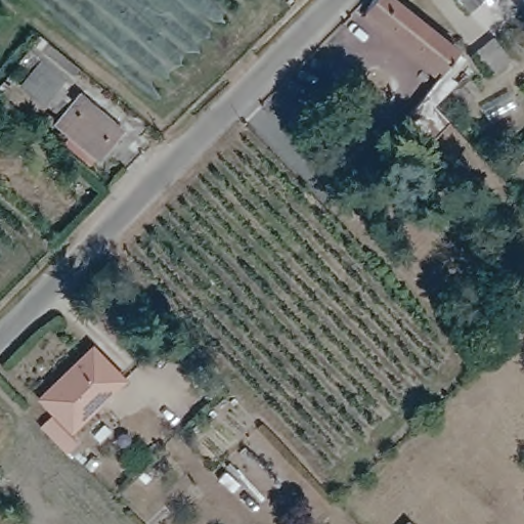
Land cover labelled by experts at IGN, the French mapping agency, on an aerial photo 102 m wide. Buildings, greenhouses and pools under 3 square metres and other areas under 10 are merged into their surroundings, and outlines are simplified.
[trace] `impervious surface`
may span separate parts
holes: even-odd
[[[516,8],[524,4],[524,0],[483,0],[471,14],[465,14],[456,8],[454,0],[432,0],[444,16],[440,25],[444,25],[450,33],[459,33],[463,39],[469,43],[467,55],[471,57],[479,51],[489,41],[493,41],[487,33],[489,27],[497,20],[506,23],[514,18]]]
[[[270,45],[258,57],[260,66],[237,88],[229,84],[229,88],[217,100],[213,100],[205,113],[197,117],[194,123],[174,141],[166,143],[164,139],[151,139],[145,133],[143,123],[139,119],[125,115],[121,106],[111,102],[106,96],[102,96],[98,88],[94,88],[88,80],[76,74],[72,76],[72,82],[76,86],[68,90],[68,102],[53,111],[51,117],[53,121],[57,121],[68,113],[70,106],[74,106],[74,100],[80,94],[80,90],[84,90],[98,104],[111,111],[125,127],[117,143],[100,158],[94,158],[76,141],[70,141],[68,145],[68,149],[80,160],[86,166],[96,166],[104,170],[111,170],[113,166],[123,162],[127,170],[111,184],[108,197],[76,227],[68,237],[68,248],[59,250],[51,258],[51,262],[43,258],[0,301],[0,354],[33,321],[41,317],[39,309],[45,303],[57,299],[63,293],[63,297],[74,307],[78,301],[90,303],[98,297],[94,276],[119,282],[117,252],[117,244],[113,239],[117,237],[119,229],[160,188],[168,188],[170,184],[176,184],[180,178],[184,178],[184,174],[205,156],[207,149],[213,147],[213,143],[239,117],[246,117],[256,127],[258,135],[270,147],[291,172],[297,172],[297,182],[305,186],[305,192],[313,194],[315,207],[328,213],[330,205],[338,199],[338,192],[344,192],[350,184],[358,182],[366,188],[379,184],[383,176],[389,174],[389,170],[395,166],[397,154],[389,149],[379,149],[381,137],[389,133],[407,139],[411,131],[405,127],[405,121],[418,121],[418,108],[436,84],[436,80],[428,70],[422,70],[418,66],[418,61],[409,53],[399,49],[393,41],[383,39],[381,31],[366,20],[366,12],[375,0],[317,0],[291,29],[287,29],[278,37],[274,45]],[[307,98],[321,84],[323,76],[334,66],[346,66],[348,72],[356,74],[358,78],[366,72],[377,88],[391,88],[385,90],[385,102],[373,108],[373,127],[366,131],[364,141],[352,141],[346,147],[346,164],[336,168],[336,172],[330,176],[315,176],[307,160],[301,154],[297,154],[295,145],[291,143],[291,137],[282,129],[287,127],[287,121],[295,111],[295,104]]]

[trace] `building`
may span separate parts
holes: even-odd
[[[491,68],[493,76],[508,68],[510,57],[497,41],[493,41],[489,41],[479,51],[481,59]]]
[[[125,127],[111,111],[98,104],[84,90],[80,90],[80,94],[74,100],[74,106],[70,106],[68,113],[57,121],[57,131],[66,137],[68,145],[70,141],[76,141],[94,158],[100,158],[117,143]]]
[[[78,432],[84,426],[82,416],[92,416],[96,411],[111,395],[117,397],[121,393],[125,377],[117,375],[104,362],[104,358],[98,356],[92,348],[41,395],[41,405],[49,413],[49,420],[43,426],[45,434],[66,454],[80,444]]]
[[[454,0],[456,8],[465,14],[471,14],[483,0]]]
[[[33,104],[35,111],[53,111],[68,102],[68,90],[76,86],[72,82],[72,76],[76,74],[76,70],[59,53],[55,53],[51,47],[47,47],[45,41],[39,39],[35,47],[31,47],[29,53],[23,57],[23,66],[31,74],[23,84],[27,92],[25,100]]]
[[[475,66],[471,57],[467,55],[469,43],[463,39],[459,43],[444,41],[434,29],[422,23],[397,0],[375,0],[366,12],[366,20],[381,31],[383,39],[393,41],[399,49],[409,53],[418,61],[418,66],[422,70],[428,70],[436,80],[436,84],[418,108],[418,121],[422,133],[432,135],[440,131],[446,119],[440,113],[440,102],[452,92],[459,80],[465,80],[465,74],[473,76]]]

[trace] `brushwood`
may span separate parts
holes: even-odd
[[[111,86],[106,86],[92,72],[88,72],[80,61],[76,61],[68,51],[63,51],[55,43],[47,35],[39,33],[33,25],[20,27],[16,37],[0,55],[0,86],[8,80],[23,84],[31,74],[23,66],[23,57],[29,53],[31,47],[35,47],[39,39],[45,41],[47,47],[51,47],[55,53],[59,53],[76,70],[76,74],[88,80],[94,88],[98,88],[102,96],[106,96],[111,102],[121,106],[125,115],[139,119],[143,123],[145,133],[151,139],[164,139],[162,129],[156,123],[147,121],[143,113],[133,108],[123,96],[119,96]]]
[[[0,375],[0,387],[23,407],[29,405],[27,397],[6,379],[6,375]]]
[[[456,379],[446,389],[436,393],[442,403],[444,403],[450,397],[454,397],[465,385],[467,366],[461,364]]]
[[[301,6],[299,12],[291,20],[287,20],[287,25],[256,51],[258,57],[270,45],[274,45],[278,37],[287,29],[291,29],[317,0],[307,0],[305,6]]]
[[[188,424],[180,422],[178,426],[182,438],[184,444],[192,442],[194,428],[209,426],[213,407],[231,399],[227,387],[221,391],[221,395],[207,399],[207,405],[201,409],[201,413],[197,413]]]
[[[45,348],[45,334],[55,334],[63,344],[68,344],[70,350],[74,350],[80,344],[80,340],[78,336],[68,332],[68,321],[59,313],[55,319],[37,330],[4,364],[12,368],[25,354],[29,354],[33,346]]]
[[[223,450],[223,454],[215,461],[205,456],[203,463],[207,471],[217,473],[217,469],[229,469],[229,454],[227,450]]]
[[[0,287],[0,301],[43,258],[45,252],[39,250],[14,276],[6,280],[4,287]]]
[[[229,84],[221,82],[197,106],[197,111],[192,113],[197,117],[205,113],[213,100],[217,100],[229,88]]]
[[[473,76],[473,82],[493,76],[491,68],[481,59],[479,51],[471,57],[475,66]]]
[[[43,168],[43,174],[57,186],[82,178],[88,184],[88,188],[96,192],[94,203],[72,221],[72,225],[76,227],[108,197],[111,184],[127,170],[123,162],[113,166],[111,170],[104,170],[96,166],[86,166],[80,160],[74,166],[72,174],[57,172],[49,164]]]

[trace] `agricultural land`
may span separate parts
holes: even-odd
[[[383,461],[370,469],[377,475],[377,485],[373,489],[362,489],[356,483],[346,495],[340,497],[338,504],[328,501],[325,493],[315,489],[299,471],[295,471],[280,456],[280,452],[262,436],[258,428],[262,428],[262,420],[254,418],[254,413],[246,407],[242,399],[231,399],[213,407],[209,426],[194,428],[192,442],[184,444],[182,438],[172,440],[166,444],[166,448],[154,452],[151,461],[156,465],[149,475],[139,475],[125,489],[117,485],[117,481],[106,481],[98,471],[82,467],[78,461],[68,459],[66,454],[45,434],[43,426],[37,422],[39,416],[35,411],[27,413],[23,407],[0,387],[0,510],[16,508],[23,499],[31,512],[31,524],[174,524],[166,501],[170,495],[176,493],[182,493],[190,501],[194,501],[197,520],[192,524],[276,524],[268,493],[270,489],[282,487],[282,483],[297,483],[303,489],[303,495],[307,497],[311,508],[309,524],[524,524],[524,368],[520,362],[520,354],[516,354],[497,370],[481,373],[477,381],[465,385],[454,397],[450,397],[444,403],[446,411],[442,432],[436,436],[413,436],[397,448],[395,459]],[[215,461],[223,454],[223,450],[227,450],[229,454],[229,469],[217,469],[217,473],[207,471],[203,463],[205,456]]]

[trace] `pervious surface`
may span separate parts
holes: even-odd
[[[178,370],[178,366],[172,362],[162,360],[156,366],[141,366],[119,346],[117,336],[113,332],[108,332],[102,323],[80,319],[74,307],[63,297],[63,293],[57,299],[45,303],[39,309],[41,317],[33,321],[0,354],[0,368],[4,364],[37,330],[55,319],[59,313],[68,321],[68,332],[78,336],[80,340],[90,338],[94,342],[92,348],[98,356],[104,358],[104,362],[117,375],[125,377],[121,393],[117,397],[111,395],[96,411],[102,413],[111,409],[115,418],[121,422],[125,416],[133,416],[143,407],[151,407],[158,418],[166,418],[172,426],[178,426],[180,422],[188,424],[197,413],[201,413],[201,409],[207,405],[207,399],[197,401],[190,393],[188,383],[184,375]]]
[[[459,186],[465,182],[473,182],[475,190],[481,190],[483,184],[487,184],[489,188],[493,188],[495,194],[504,190],[504,180],[475,151],[471,141],[465,135],[461,135],[461,131],[446,119],[440,131],[440,160],[446,164],[446,174]]]
[[[160,188],[119,229],[117,237],[113,239],[117,244],[117,252],[123,250],[123,244],[141,235],[145,231],[145,225],[151,225],[164,213],[164,209],[172,213],[176,207],[180,207],[178,197],[182,194],[182,190],[186,190],[192,184],[192,180],[199,178],[199,174],[203,174],[209,168],[209,164],[217,162],[217,151],[221,151],[223,158],[231,164],[235,164],[239,158],[235,156],[235,149],[246,151],[246,147],[254,147],[260,141],[266,147],[270,147],[258,135],[256,127],[246,117],[239,117],[213,143],[213,147],[207,149],[205,156],[184,174],[184,178],[180,178],[176,184],[170,184],[168,188]]]

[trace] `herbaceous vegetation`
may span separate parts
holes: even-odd
[[[49,413],[41,405],[41,395],[92,348],[94,342],[90,338],[80,340],[80,344],[74,350],[70,350],[68,344],[63,344],[55,334],[45,334],[45,348],[33,346],[29,354],[25,354],[12,368],[4,364],[0,368],[0,375],[6,375],[6,379],[27,397],[29,405],[23,407],[27,413],[35,411],[39,416],[37,422],[43,426],[49,420]]]
[[[381,246],[366,233],[366,227],[358,215],[344,215],[340,221],[344,221],[350,233],[364,244],[364,252],[381,250]]]
[[[154,285],[149,285],[139,291],[139,295],[151,305],[164,305],[166,297]]]
[[[516,8],[514,18],[506,23],[497,20],[489,27],[487,33],[493,41],[497,41],[510,57],[508,68],[493,76],[473,82],[473,76],[465,74],[465,80],[459,80],[452,92],[467,100],[471,117],[479,117],[479,131],[485,135],[487,143],[501,141],[510,125],[524,129],[524,4]]]
[[[27,92],[23,84],[8,80],[0,86],[0,92],[4,108],[8,108],[10,121],[16,125],[39,125],[41,119],[51,117],[53,111],[35,111],[33,104],[25,100]]]
[[[452,280],[454,274],[463,270],[463,244],[450,231],[446,231],[446,235],[442,237],[434,229],[422,229],[418,223],[405,223],[403,227],[407,231],[413,254],[420,256],[424,262],[422,268],[418,264],[397,266],[395,274],[399,280],[407,285],[413,297],[424,291],[428,299],[432,299],[434,289],[438,285]]]
[[[162,129],[164,139],[166,143],[174,141],[194,123],[197,117],[192,113],[197,111],[197,106],[221,82],[229,84],[237,88],[260,66],[258,57],[256,51],[287,25],[287,20],[291,20],[299,12],[301,6],[305,6],[307,0],[235,0],[237,10],[223,10],[223,20],[229,20],[229,33],[221,37],[219,43],[215,39],[203,41],[199,45],[199,53],[188,53],[182,59],[184,68],[190,63],[201,66],[201,76],[190,78],[192,86],[199,88],[199,94],[192,96],[172,119],[151,111],[117,76],[104,72],[61,35],[55,43],[63,51],[68,51],[76,61],[80,61],[88,72],[92,72],[106,86],[111,86],[119,96],[123,96],[133,108],[143,113],[147,121],[156,123]]]
[[[0,0],[0,55],[16,37],[20,27],[33,25],[39,16],[37,0]]]
[[[444,25],[440,25],[444,16],[432,0],[397,0],[422,23],[434,29],[444,41],[459,43],[463,39],[459,33],[450,33]]]
[[[96,411],[92,416],[82,416],[84,426],[78,432],[80,444],[66,454],[68,459],[78,461],[82,467],[98,471],[106,481],[117,481],[117,477],[123,473],[123,467],[119,463],[119,459],[123,456],[121,448],[133,442],[139,446],[139,450],[154,452],[166,448],[166,444],[172,440],[182,438],[178,426],[172,426],[166,418],[158,418],[151,407],[143,407],[133,416],[125,416],[121,422],[115,418],[111,409],[102,413]]]
[[[264,401],[264,397],[256,395],[252,385],[242,377],[242,373],[221,354],[217,354],[213,360],[213,370],[215,375],[221,375],[225,379],[221,385],[213,385],[209,391],[203,391],[197,383],[188,383],[190,393],[197,401],[207,399],[221,395],[221,391],[227,387],[231,399],[242,399],[246,407],[254,413],[254,418],[262,420],[262,428],[258,428],[262,436],[280,452],[280,456],[295,471],[299,471],[315,489],[325,493],[340,491],[340,483],[354,473],[354,465],[358,461],[368,461],[377,448],[381,452],[387,452],[391,448],[397,448],[413,436],[411,430],[407,430],[407,420],[416,416],[418,407],[428,403],[442,403],[436,393],[430,393],[424,387],[411,387],[403,397],[403,407],[385,405],[377,407],[375,411],[364,409],[364,413],[360,413],[350,403],[352,399],[356,399],[354,393],[348,391],[344,385],[338,385],[344,397],[336,401],[334,395],[328,395],[328,403],[332,407],[328,409],[328,413],[332,413],[338,426],[342,426],[342,432],[336,432],[319,416],[317,409],[307,409],[313,422],[321,428],[321,432],[328,434],[334,442],[334,454],[328,456],[328,461],[321,461],[315,448],[297,436],[297,432]]]
[[[4,217],[0,217],[0,287],[4,287],[6,280],[14,276],[39,250],[45,252],[43,258],[51,262],[51,258],[59,250],[68,248],[68,237],[76,227],[72,225],[72,221],[94,203],[96,192],[88,188],[88,184],[82,178],[57,186],[43,174],[43,168],[49,164],[45,151],[41,149],[41,143],[33,143],[35,160],[27,168],[23,166],[23,158],[0,156],[0,203],[23,221],[23,231],[16,231]]]

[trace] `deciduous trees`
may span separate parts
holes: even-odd
[[[397,448],[391,448],[387,452],[381,452],[377,448],[368,461],[358,461],[354,465],[354,473],[340,483],[340,491],[325,493],[328,501],[338,504],[340,497],[346,495],[356,483],[362,489],[373,489],[377,485],[377,475],[370,469],[383,461],[395,459]]]
[[[68,145],[66,137],[57,131],[57,121],[53,121],[51,117],[41,119],[39,125],[16,125],[10,121],[8,108],[4,108],[0,92],[0,156],[23,158],[23,166],[27,168],[35,160],[33,143],[41,143],[41,149],[45,151],[49,164],[57,172],[72,174],[74,166],[80,160],[68,149]]]
[[[282,483],[282,487],[270,489],[268,493],[276,524],[309,524],[311,508],[307,497],[303,495],[303,489],[297,483]]]
[[[194,501],[190,501],[182,493],[176,493],[170,495],[166,501],[174,524],[192,524],[197,520]]]
[[[413,436],[436,436],[442,432],[446,411],[444,403],[442,403],[428,403],[418,407],[416,416],[407,420],[407,430],[411,430]]]
[[[0,203],[0,217],[4,217],[16,231],[23,231],[23,221]]]
[[[149,475],[156,465],[151,461],[154,452],[139,450],[139,446],[133,442],[121,448],[123,456],[119,459],[119,463],[123,467],[123,473],[117,477],[117,481],[117,485],[125,489],[139,475]]]
[[[199,53],[199,45],[203,41],[215,39],[219,43],[221,37],[229,33],[229,20],[223,20],[223,10],[237,10],[235,0],[37,0],[39,16],[33,25],[39,33],[47,35],[55,43],[61,35],[104,72],[117,76],[151,111],[172,119],[192,96],[199,94],[199,88],[192,86],[190,78],[201,76],[201,66],[190,63],[184,68],[182,59],[188,53]]]
[[[23,499],[16,508],[0,510],[0,524],[31,524],[31,512]]]
[[[141,366],[156,366],[162,360],[172,362],[178,366],[178,370],[184,375],[188,383],[197,383],[203,391],[209,391],[213,385],[221,385],[225,379],[221,375],[215,375],[213,370],[213,360],[217,354],[221,354],[242,373],[242,377],[252,385],[256,395],[264,397],[264,401],[297,432],[297,436],[315,448],[321,461],[328,461],[328,456],[334,454],[334,442],[328,434],[321,432],[321,428],[313,422],[307,409],[317,409],[319,416],[336,432],[342,432],[342,426],[338,426],[332,413],[328,413],[328,409],[332,407],[328,403],[328,395],[334,395],[336,401],[344,397],[338,385],[344,385],[348,391],[354,393],[356,399],[352,399],[350,403],[360,413],[364,413],[364,409],[375,411],[377,407],[385,405],[403,407],[403,397],[411,387],[424,387],[430,393],[436,393],[446,389],[456,379],[461,364],[467,366],[465,385],[477,381],[481,373],[497,370],[516,354],[520,354],[520,362],[524,368],[524,129],[510,125],[501,141],[487,143],[485,135],[479,131],[479,117],[471,117],[467,100],[452,92],[440,102],[440,113],[446,119],[461,131],[461,135],[465,135],[471,141],[475,151],[504,180],[504,190],[495,194],[493,188],[489,188],[487,184],[483,184],[481,190],[475,190],[473,182],[465,182],[459,186],[446,174],[446,164],[440,160],[440,131],[432,135],[422,133],[418,121],[405,121],[405,127],[411,131],[407,139],[389,133],[381,137],[379,149],[389,149],[397,154],[395,166],[389,170],[389,174],[383,176],[379,184],[366,188],[358,182],[350,184],[344,192],[338,192],[338,199],[330,205],[328,213],[315,207],[313,194],[305,192],[305,186],[297,182],[297,172],[291,172],[270,147],[266,147],[260,141],[254,147],[246,147],[246,151],[235,149],[235,156],[239,158],[235,164],[231,164],[223,158],[221,151],[217,151],[217,162],[209,164],[209,168],[203,174],[199,174],[199,178],[192,180],[192,184],[186,190],[182,190],[182,194],[178,197],[180,207],[176,207],[172,213],[164,209],[164,213],[151,225],[145,225],[145,231],[141,235],[123,244],[123,250],[117,252],[119,282],[94,276],[98,297],[90,303],[78,301],[74,307],[80,319],[102,323],[108,332],[113,332],[117,336],[119,346]],[[344,215],[358,215],[366,227],[366,233],[381,246],[381,250],[364,252],[364,244],[350,233],[344,221],[340,221]],[[418,223],[422,229],[434,229],[442,237],[446,235],[446,231],[450,231],[463,244],[463,270],[454,274],[452,280],[438,285],[434,289],[432,299],[428,299],[424,291],[413,297],[407,285],[399,280],[395,274],[397,266],[418,264],[422,268],[424,262],[420,256],[413,254],[407,231],[403,227],[405,223]],[[154,285],[166,297],[164,305],[151,305],[139,295],[139,291],[149,285]]]
[[[307,98],[295,104],[295,111],[287,121],[287,127],[282,129],[291,137],[291,143],[295,145],[297,154],[301,154],[307,160],[315,176],[330,176],[336,172],[336,168],[346,164],[346,147],[352,141],[364,141],[366,131],[373,127],[373,108],[385,102],[385,90],[391,88],[377,88],[366,72],[358,78],[356,74],[348,72],[346,66],[334,66],[323,76],[321,84]]]

